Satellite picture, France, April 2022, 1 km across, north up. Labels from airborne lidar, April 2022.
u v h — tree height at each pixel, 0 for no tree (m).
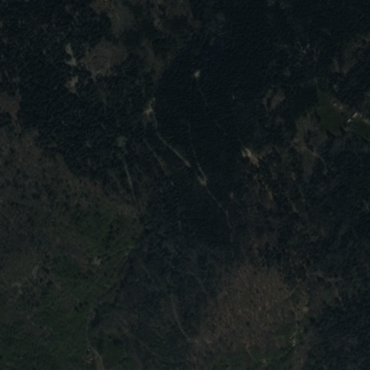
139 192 23
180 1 20
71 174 11
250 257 20
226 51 29
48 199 25
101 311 26
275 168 31
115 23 28
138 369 23
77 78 0
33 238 26
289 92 20
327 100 0
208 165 18
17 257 14
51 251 19
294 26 23
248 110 18
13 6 31
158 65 23
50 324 18
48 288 17
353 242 28
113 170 29
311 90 22
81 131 28
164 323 18
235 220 14
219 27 17
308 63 23
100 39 34
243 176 18
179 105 19
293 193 33
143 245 25
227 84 20
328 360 23
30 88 37
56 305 13
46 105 37
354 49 18
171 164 17
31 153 13
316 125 27
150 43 20
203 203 16
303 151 22
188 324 17
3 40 36
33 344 14
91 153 30
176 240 16
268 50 27
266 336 31
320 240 15
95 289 13
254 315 28
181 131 19
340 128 0
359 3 18
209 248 17
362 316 30
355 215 20
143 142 28
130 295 23
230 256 10
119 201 13
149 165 27
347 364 6
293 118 21
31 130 8
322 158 15
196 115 17
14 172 23
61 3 28
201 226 15
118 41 27
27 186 25
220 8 23
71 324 18
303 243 32
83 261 16
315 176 19
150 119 17
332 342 22
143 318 15
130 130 32
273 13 24
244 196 19
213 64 24
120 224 12
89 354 14
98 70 13
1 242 19
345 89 26
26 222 25
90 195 12
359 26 18
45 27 20
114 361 0
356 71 23
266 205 30
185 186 19
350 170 27
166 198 25
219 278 11
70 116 31
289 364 11
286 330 22
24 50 37
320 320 25
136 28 31
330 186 26
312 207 29
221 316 25
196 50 26
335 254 28
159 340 16
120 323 25
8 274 13
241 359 19
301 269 30
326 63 28
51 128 24
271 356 21
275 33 23
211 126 19
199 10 30
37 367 10
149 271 19
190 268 16
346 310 18
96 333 17
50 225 25
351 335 22
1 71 34
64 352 21
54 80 36
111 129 26
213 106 16
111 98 29
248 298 24
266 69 23
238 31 29
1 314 0
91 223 15
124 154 14
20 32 32
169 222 24
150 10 11
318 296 31
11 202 21
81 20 30
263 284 22
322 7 24
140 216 19
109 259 15
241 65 29
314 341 30
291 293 19
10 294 13
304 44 22
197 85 23
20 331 8
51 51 12
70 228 17
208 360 19
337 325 23
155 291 9
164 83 19
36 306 21
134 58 33
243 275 19
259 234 29
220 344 23
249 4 22
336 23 24
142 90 32
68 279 15
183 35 21
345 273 17
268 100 0
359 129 0
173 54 25
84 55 17
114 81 31
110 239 23
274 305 27
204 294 12
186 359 20
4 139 17
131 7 23
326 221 21
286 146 23
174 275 18
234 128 21
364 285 25
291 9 25
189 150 19
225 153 18
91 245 11
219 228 14
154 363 17
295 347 7
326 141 20
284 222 28
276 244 35
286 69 14
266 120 17
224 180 13
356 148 21
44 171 16
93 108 10
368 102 19
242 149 16
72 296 12
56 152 14
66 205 20
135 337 10
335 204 27
